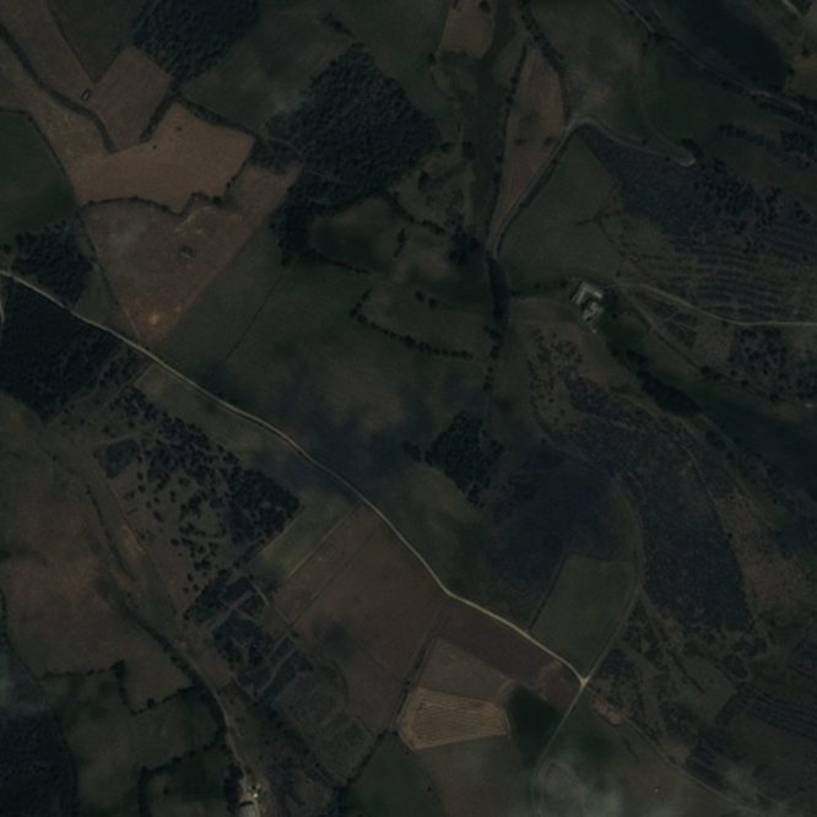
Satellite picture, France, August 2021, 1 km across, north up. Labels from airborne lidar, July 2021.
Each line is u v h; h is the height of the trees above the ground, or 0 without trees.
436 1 0
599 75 0
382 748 0
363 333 0
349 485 0
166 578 0
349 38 0
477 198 0
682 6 0
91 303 0
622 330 0
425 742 0
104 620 0
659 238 0
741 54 0
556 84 0
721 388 0
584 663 0
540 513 0
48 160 0
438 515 0
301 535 0
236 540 10
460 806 0
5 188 0
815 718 0
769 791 0
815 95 0
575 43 0
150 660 0
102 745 0
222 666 0
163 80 0
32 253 7
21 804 5
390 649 0
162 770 7
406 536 0
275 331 0
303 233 19
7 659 8
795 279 0
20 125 0
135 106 0
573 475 0
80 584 0
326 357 0
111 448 0
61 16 0
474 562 0
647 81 0
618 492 0
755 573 0
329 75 7
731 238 0
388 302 0
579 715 0
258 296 0
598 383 0
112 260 0
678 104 0
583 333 0
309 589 0
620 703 0
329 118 7
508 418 0
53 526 0
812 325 0
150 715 0
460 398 0
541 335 0
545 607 0
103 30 0
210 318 0
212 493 5
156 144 0
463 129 0
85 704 0
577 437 0
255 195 0
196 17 6
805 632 0
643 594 0
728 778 0
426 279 0
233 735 0
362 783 0
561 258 0
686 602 0
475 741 0
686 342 0
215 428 0
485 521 0
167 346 0
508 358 0
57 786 9
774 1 0
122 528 0
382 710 0
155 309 0
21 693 13
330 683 0
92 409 0
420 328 0
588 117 0
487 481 6
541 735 0
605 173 0
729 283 0
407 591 0
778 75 0
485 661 0
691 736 0
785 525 0
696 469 0
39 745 12
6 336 15
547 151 0
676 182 0
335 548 0
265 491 11
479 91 0
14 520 0
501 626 0
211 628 0
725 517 0
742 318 0
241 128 0
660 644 0
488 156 0
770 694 0
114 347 12
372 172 10
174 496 9
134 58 0
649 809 0
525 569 0
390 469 0
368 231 0
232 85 0
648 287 0
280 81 0
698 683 0
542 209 0
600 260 0
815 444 0
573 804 0
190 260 0
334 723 0
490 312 0
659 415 0
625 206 0
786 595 0
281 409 0
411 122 6
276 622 0
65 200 0
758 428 0
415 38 0
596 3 0
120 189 0
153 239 0
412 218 10
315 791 0
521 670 0
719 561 0
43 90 0
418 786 0
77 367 17
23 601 0
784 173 0
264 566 0
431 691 0
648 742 0
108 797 0
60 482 0
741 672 0
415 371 0
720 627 0
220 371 0
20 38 0
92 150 0
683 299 0
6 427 0
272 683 0
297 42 0
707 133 0
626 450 0
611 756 0
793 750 0
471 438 10
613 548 0
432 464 16
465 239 15
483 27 0
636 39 0
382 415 0
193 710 0
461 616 0
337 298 0
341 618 0
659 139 0
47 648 0
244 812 0
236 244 0
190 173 0
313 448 0
